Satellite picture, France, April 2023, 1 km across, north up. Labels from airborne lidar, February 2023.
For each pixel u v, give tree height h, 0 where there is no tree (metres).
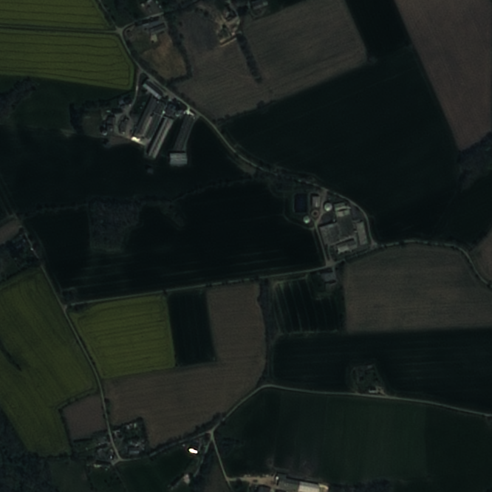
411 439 0
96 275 0
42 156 0
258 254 0
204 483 12
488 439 0
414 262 0
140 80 0
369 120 0
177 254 0
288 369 0
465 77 0
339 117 0
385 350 0
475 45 0
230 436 0
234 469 0
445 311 0
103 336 0
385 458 0
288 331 0
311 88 0
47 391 0
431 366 0
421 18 0
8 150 0
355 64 0
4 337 0
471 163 18
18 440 11
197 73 0
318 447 0
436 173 0
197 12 7
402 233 0
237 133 0
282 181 13
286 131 0
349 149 0
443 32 0
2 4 0
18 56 0
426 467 0
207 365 0
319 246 0
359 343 0
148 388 0
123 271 0
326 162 0
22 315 0
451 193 0
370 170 0
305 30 0
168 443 9
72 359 0
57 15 0
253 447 0
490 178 0
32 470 15
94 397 0
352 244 0
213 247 0
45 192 0
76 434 0
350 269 0
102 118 0
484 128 0
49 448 0
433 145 0
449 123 0
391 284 0
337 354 0
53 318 0
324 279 0
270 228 0
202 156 0
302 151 0
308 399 0
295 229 0
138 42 0
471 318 0
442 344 0
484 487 0
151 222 0
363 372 6
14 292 0
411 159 0
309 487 7
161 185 0
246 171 0
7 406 0
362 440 0
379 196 0
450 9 0
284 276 0
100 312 0
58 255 0
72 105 0
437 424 0
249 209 0
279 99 0
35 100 0
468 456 0
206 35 0
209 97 0
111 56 0
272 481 0
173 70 0
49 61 0
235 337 0
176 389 0
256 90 0
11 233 0
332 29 0
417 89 0
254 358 0
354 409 0
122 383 0
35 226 0
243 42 16
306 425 0
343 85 0
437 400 0
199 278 0
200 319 0
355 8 0
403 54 0
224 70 0
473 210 0
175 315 0
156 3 0
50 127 0
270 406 0
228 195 0
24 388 0
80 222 0
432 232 0
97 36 0
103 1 0
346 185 0
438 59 0
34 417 0
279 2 0
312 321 0
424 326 0
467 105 0
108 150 0
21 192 0
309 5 0
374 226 0
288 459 0
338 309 0
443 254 0
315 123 0
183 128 0
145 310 0
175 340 0
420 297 0
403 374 0
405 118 0
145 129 0
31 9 0
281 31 0
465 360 0
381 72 0
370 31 0
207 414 0
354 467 0
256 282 10
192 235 0
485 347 0
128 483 0
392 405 0
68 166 0
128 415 0
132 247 0
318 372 0
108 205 14
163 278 0
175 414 0
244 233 0
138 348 0
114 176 0
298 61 0
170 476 0
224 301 0
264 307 14
